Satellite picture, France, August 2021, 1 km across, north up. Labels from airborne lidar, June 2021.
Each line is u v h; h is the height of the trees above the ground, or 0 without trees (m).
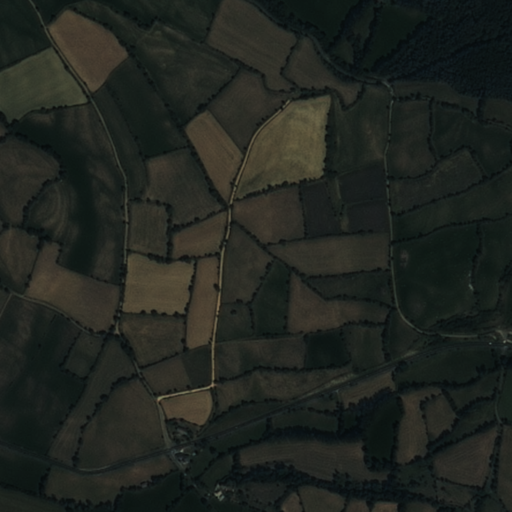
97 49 0
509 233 0
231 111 0
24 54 0
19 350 0
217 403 6
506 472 0
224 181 0
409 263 0
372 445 0
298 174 0
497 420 9
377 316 0
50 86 0
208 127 0
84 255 0
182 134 6
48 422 0
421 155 0
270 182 0
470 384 11
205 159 0
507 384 0
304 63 0
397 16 0
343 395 0
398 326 0
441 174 0
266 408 0
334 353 0
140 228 0
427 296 0
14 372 0
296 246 0
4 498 0
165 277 0
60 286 0
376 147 0
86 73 0
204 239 0
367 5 18
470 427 0
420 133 0
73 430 0
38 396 0
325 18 0
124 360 0
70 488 0
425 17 0
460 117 0
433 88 0
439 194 0
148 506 0
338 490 8
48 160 0
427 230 0
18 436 0
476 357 0
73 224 0
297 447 0
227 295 0
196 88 0
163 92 0
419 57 18
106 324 0
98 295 0
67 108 8
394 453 10
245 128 0
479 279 0
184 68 0
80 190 0
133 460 0
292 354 0
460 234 0
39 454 0
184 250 0
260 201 0
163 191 0
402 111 0
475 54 23
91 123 0
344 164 0
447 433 12
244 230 5
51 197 0
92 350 0
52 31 0
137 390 0
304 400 0
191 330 0
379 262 0
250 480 7
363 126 0
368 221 0
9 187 0
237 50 0
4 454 0
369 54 10
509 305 0
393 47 0
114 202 0
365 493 9
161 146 0
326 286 0
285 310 0
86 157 0
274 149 0
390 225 0
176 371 0
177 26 0
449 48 18
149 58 0
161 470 0
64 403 0
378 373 0
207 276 0
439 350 0
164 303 0
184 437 6
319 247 0
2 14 0
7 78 0
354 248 0
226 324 0
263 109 0
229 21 0
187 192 0
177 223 0
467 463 0
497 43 26
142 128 0
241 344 0
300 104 0
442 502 5
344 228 0
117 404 0
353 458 0
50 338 0
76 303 0
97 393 0
